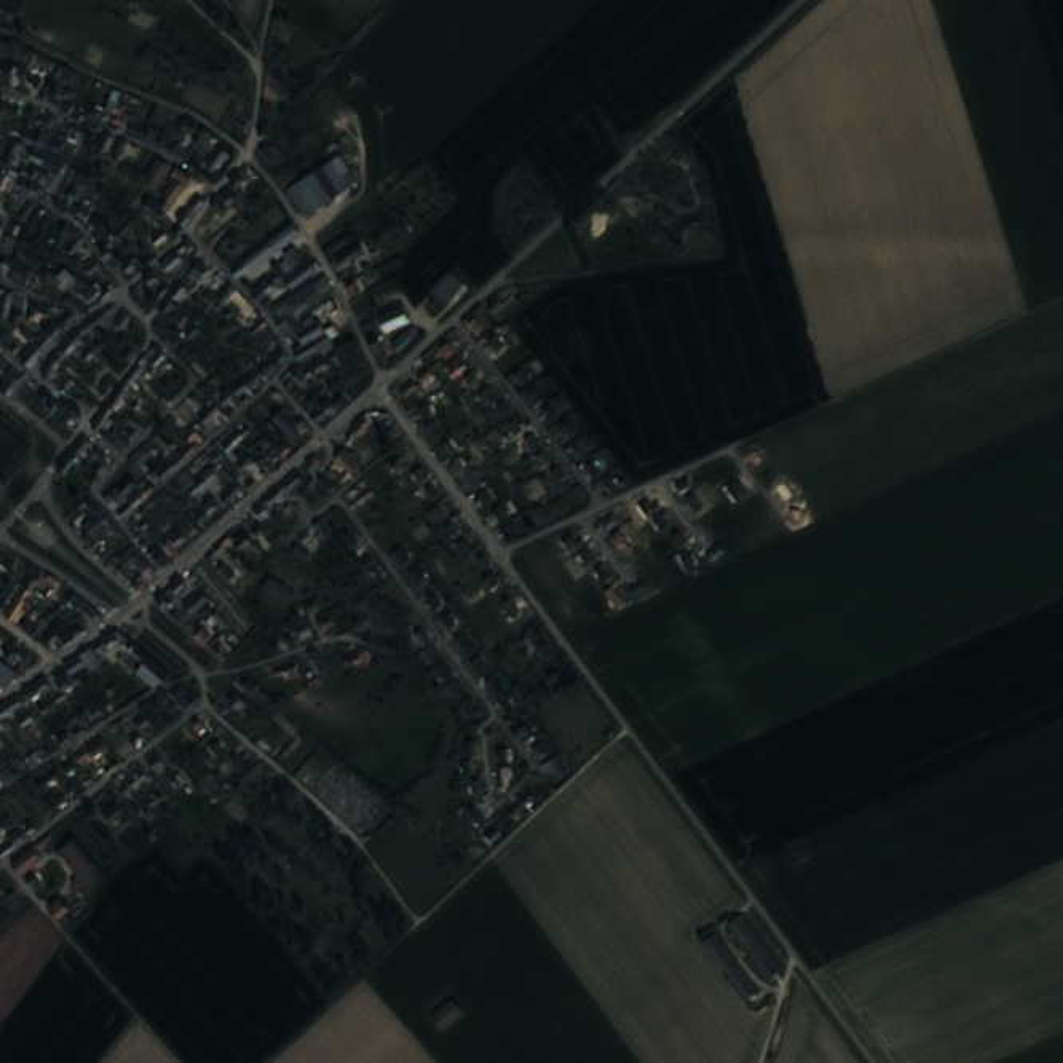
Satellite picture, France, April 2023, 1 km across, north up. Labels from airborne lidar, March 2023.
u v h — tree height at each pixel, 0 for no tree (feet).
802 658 0
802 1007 0
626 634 0
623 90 0
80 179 49
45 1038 0
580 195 0
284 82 38
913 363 0
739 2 0
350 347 20
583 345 0
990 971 0
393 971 0
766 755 0
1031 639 0
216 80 42
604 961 0
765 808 0
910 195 0
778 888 0
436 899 0
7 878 0
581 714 0
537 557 0
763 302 0
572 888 0
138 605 0
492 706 0
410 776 0
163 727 19
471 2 0
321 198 0
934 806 0
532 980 0
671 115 0
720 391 0
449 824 0
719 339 0
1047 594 0
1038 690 0
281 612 0
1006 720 0
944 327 0
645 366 0
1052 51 0
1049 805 0
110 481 0
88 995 0
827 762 0
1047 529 0
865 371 0
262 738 0
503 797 0
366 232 0
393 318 0
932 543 0
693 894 0
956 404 0
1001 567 0
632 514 0
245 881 68
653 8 0
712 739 0
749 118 0
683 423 0
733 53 0
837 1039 0
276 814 66
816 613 0
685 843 0
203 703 0
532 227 24
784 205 0
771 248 0
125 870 0
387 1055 0
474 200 0
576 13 0
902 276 0
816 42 0
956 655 0
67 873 0
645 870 0
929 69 0
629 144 42
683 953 0
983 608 0
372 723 0
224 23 51
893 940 0
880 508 0
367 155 0
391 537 0
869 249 0
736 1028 0
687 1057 0
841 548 0
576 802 0
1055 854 0
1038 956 0
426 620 0
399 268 0
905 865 0
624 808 0
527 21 0
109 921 0
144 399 0
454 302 0
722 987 0
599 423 0
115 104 0
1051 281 0
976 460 0
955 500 0
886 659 0
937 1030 0
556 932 0
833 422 0
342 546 20
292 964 0
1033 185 0
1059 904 0
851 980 0
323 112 0
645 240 21
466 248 0
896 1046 0
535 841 0
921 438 0
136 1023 0
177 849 0
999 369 0
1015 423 0
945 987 0
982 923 0
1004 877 0
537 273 0
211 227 0
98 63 0
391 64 0
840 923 0
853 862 0
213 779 23
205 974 0
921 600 0
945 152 0
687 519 0
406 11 0
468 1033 0
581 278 0
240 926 0
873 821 0
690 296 0
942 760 0
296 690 0
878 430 0
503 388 0
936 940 0
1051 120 0
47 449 0
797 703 0
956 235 0
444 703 0
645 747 0
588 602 0
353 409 0
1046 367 0
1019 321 0
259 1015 0
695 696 0
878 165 0
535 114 0
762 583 0
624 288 0
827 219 0
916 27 0
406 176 23
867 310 0
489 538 0
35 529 0
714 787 0
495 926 0
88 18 0
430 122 0
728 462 0
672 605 0
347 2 0
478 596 0
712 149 0
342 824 0
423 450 0
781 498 0
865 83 0
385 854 0
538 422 0
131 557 0
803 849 0
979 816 0
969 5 0
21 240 22
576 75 0
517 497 0
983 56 0
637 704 0
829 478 0
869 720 0
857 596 0
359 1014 0
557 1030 0
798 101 0
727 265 0
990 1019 0
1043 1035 0
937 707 0
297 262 0
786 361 0
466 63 0
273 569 0
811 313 0
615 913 0
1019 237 0
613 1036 0
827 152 0
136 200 0
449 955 0
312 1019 0
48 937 0
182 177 0
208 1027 0
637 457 0
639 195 0
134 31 0
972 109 0
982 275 0
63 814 0
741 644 0
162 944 0
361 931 37
